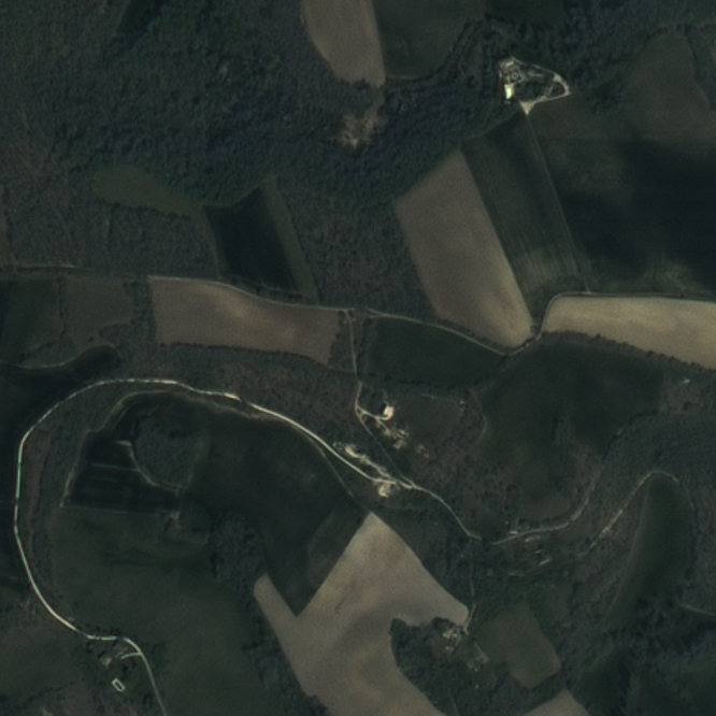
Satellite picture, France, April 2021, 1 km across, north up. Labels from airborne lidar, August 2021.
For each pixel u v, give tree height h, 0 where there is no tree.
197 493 0
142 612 0
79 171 9
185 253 9
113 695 13
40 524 14
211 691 0
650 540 0
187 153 21
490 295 0
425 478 7
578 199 0
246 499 0
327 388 9
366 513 0
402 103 10
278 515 0
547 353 0
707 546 13
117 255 17
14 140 17
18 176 16
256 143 20
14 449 0
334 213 12
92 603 0
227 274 0
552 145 0
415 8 0
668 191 0
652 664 22
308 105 6
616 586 9
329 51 0
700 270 0
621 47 14
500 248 0
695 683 0
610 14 20
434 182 0
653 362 10
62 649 0
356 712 0
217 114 9
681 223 0
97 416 14
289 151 20
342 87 23
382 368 0
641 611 17
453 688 12
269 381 10
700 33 16
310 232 14
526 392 0
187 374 19
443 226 0
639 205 0
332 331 0
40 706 19
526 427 0
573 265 0
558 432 15
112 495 0
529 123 0
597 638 19
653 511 0
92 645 11
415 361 0
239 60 8
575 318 0
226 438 0
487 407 0
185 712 0
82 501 0
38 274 10
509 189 0
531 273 0
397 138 14
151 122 8
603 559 8
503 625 0
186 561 0
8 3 10
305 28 18
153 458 23
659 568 0
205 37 21
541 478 0
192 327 0
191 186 20
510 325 0
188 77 23
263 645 9
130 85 19
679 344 0
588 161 0
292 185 17
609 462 14
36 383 0
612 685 0
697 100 0
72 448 21
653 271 0
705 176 0
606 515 6
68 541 0
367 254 13
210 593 0
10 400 0
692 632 0
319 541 0
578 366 0
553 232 0
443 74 7
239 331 0
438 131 21
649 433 22
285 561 0
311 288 0
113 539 0
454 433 7
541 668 0
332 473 0
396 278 15
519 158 0
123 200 0
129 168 16
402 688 0
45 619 10
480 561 8
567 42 16
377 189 21
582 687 15
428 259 0
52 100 13
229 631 0
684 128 0
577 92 0
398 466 11
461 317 0
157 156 21
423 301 16
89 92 14
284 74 14
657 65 0
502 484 7
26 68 10
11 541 0
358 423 8
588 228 0
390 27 0
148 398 0
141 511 0
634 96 6
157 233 17
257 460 0
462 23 0
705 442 24
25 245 20
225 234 0
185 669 0
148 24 15
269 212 0
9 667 0
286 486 0
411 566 0
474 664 0
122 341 20
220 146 19
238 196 14
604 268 0
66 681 0
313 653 0
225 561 18
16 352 0
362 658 0
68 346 14
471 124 18
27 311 0
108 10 10
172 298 0
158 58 26
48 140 18
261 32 16
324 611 0
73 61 13
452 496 12
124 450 0
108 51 17
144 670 0
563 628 8
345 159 20
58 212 17
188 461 22
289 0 21
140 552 0
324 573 0
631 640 18
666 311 0
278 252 0
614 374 0
